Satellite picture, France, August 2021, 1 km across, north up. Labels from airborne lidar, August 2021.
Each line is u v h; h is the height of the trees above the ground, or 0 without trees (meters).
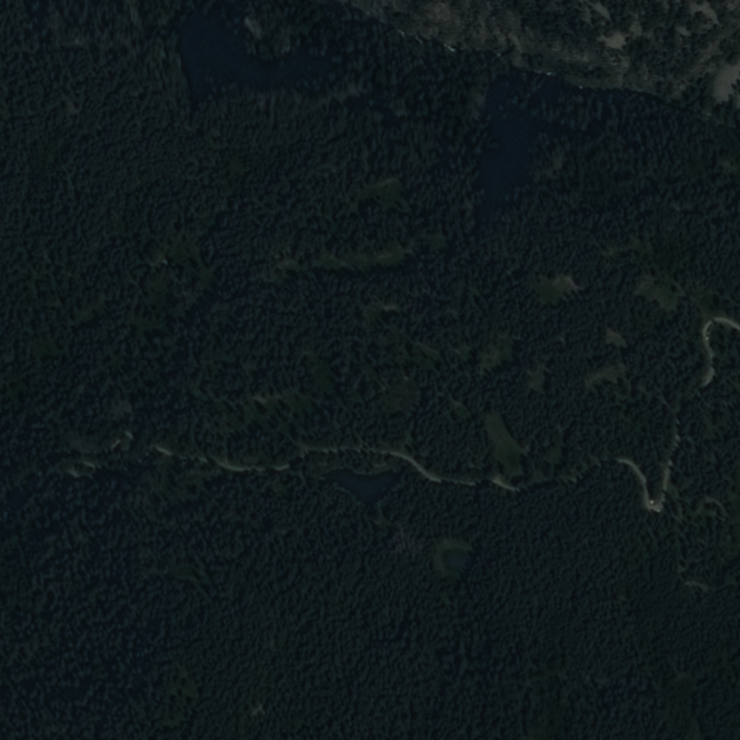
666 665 10
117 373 10
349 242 25
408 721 25
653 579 15
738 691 9
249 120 17
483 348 26
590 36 18
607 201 8
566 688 16
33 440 12
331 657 19
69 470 9
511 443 0
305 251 17
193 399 12
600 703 9
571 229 26
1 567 10
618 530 21
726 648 14
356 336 20
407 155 27
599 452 26
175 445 8
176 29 12
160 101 23
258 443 21
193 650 18
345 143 21
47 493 24
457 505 24
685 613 9
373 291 22
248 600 18
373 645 17
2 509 9
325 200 8
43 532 6
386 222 23
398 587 27
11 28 30
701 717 7
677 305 0
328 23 13
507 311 19
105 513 16
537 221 18
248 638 17
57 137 12
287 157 16
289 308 17
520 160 19
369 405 15
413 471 18
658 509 0
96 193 10
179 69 16
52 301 17
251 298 21
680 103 19
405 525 29
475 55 10
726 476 22
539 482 0
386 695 24
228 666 11
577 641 10
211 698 14
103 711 24
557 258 22
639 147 25
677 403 27
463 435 26
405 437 20
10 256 19
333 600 22
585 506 28
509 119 27
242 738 20
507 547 24
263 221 28
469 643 22
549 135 20
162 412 16
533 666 9
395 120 9
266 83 23
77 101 7
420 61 23
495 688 16
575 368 27
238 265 20
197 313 18
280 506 23
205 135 24
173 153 27
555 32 13
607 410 23
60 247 18
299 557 24
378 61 22
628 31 17
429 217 14
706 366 18
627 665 27
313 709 11
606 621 25
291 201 26
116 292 22
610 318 22
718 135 8
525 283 25
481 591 24
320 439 19
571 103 17
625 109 28
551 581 26
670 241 7
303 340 28
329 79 18
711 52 9
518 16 16
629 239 24
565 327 25
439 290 23
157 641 19
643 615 14
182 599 28
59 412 23
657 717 27
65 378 17
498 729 20
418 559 26
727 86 0
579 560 29
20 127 17
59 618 21
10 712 23
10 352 22
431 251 27
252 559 27
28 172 13
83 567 23
